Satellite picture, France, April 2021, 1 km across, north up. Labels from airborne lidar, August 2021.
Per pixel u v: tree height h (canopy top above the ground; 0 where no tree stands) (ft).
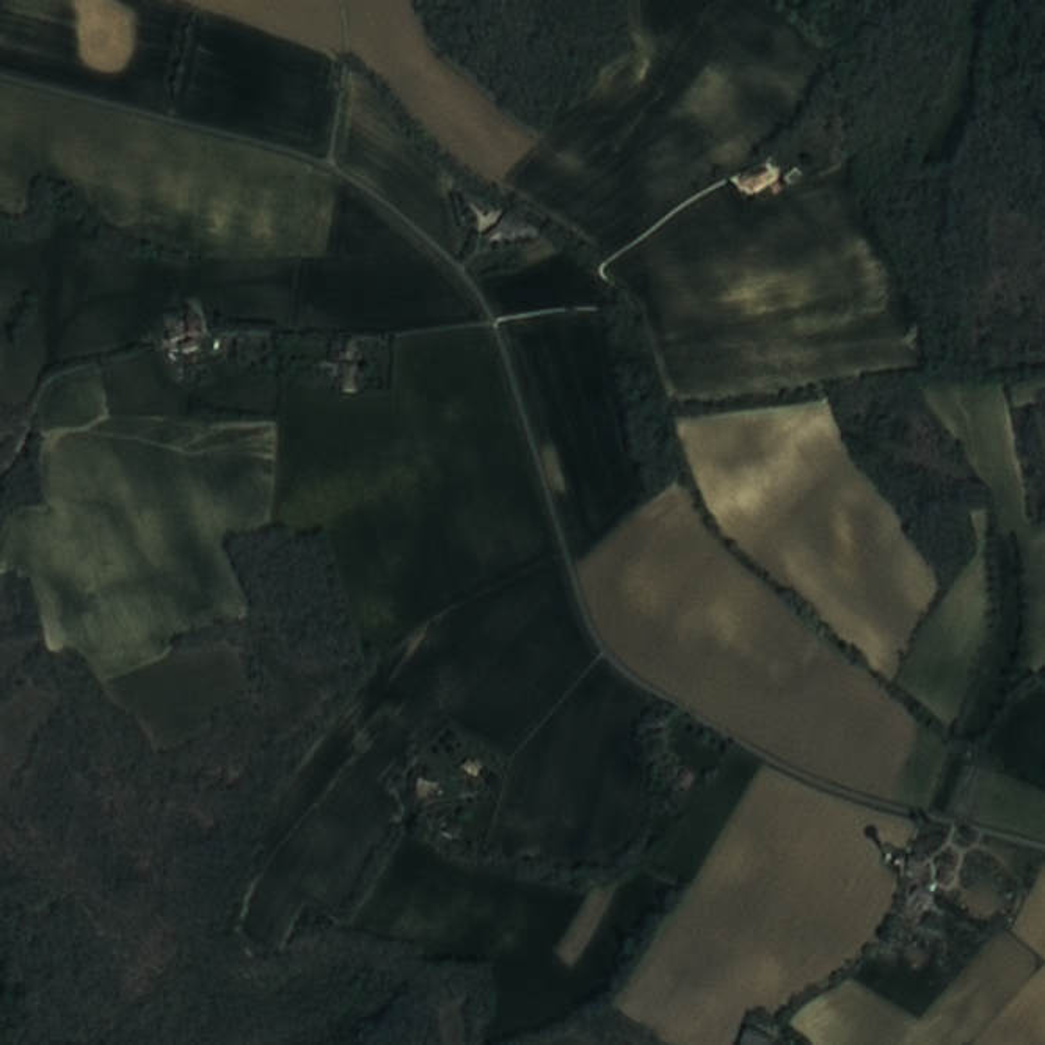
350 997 70
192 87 0
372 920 0
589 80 54
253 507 0
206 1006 62
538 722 0
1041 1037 0
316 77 0
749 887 0
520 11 57
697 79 0
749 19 0
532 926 0
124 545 0
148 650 0
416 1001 62
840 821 0
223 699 0
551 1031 40
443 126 0
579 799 0
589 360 0
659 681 0
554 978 0
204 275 0
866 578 0
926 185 51
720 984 0
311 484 0
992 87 61
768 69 0
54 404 0
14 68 0
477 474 0
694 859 0
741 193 32
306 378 53
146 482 0
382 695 0
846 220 0
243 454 0
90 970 44
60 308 0
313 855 0
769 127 0
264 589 47
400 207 0
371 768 0
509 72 59
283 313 0
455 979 62
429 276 0
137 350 33
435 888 0
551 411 0
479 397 0
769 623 0
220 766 29
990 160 75
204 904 55
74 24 0
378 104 0
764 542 0
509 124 0
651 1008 0
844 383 29
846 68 43
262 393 0
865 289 0
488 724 0
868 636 0
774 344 0
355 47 0
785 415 0
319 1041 20
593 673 0
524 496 0
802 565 0
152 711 0
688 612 0
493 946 0
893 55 49
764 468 0
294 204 0
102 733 45
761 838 0
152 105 0
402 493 0
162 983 27
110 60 0
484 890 0
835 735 0
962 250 72
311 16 0
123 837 27
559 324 0
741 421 0
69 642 0
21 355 0
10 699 30
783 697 0
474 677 0
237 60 0
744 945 0
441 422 0
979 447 0
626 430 52
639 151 0
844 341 0
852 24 22
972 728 0
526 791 0
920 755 0
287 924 0
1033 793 0
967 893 0
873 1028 0
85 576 0
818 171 22
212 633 31
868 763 0
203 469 0
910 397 58
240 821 59
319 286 0
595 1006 55
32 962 53
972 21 23
